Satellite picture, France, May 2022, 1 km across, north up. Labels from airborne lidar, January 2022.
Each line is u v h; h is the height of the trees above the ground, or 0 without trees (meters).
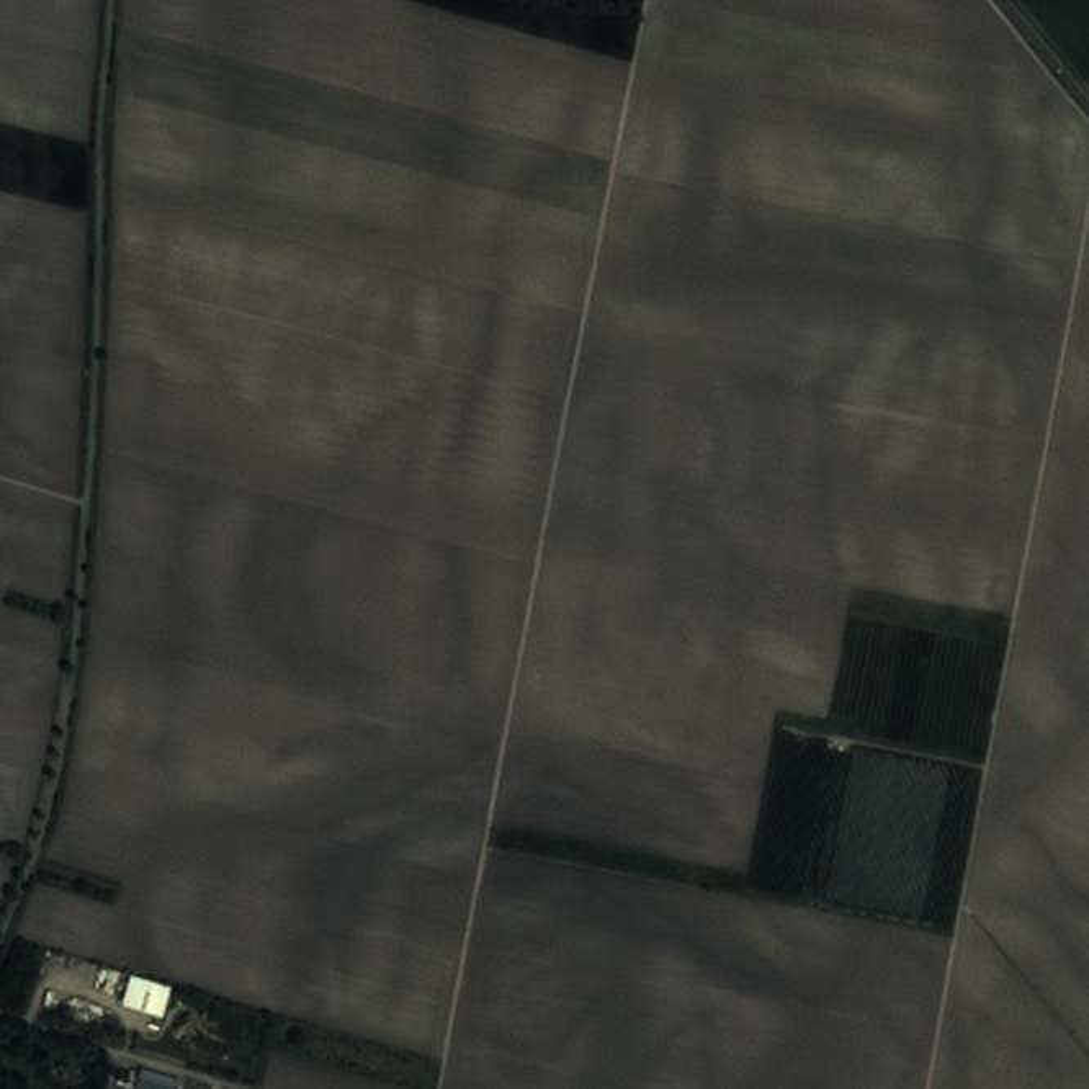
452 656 0
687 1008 0
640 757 0
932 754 0
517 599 0
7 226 0
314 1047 0
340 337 0
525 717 0
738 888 0
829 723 0
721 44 0
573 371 0
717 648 0
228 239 0
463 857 0
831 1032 0
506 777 0
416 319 0
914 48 0
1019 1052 0
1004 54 0
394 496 0
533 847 0
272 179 0
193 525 0
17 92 0
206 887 0
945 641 0
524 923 0
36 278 0
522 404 0
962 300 0
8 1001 7
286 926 0
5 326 0
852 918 0
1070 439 0
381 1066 0
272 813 0
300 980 0
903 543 0
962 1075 0
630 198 0
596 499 0
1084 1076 0
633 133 0
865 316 0
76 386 0
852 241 0
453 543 0
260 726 0
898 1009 0
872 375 0
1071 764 0
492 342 0
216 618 0
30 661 0
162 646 0
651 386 0
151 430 0
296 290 0
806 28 0
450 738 0
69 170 0
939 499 0
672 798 0
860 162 0
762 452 0
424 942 0
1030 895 0
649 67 0
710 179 0
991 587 0
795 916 0
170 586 0
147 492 0
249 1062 0
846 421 0
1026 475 0
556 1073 0
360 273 0
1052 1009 0
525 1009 0
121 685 0
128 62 0
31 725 0
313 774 0
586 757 0
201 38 0
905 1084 0
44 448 0
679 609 0
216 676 0
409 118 0
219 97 0
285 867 0
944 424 0
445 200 0
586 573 0
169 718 0
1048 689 0
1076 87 0
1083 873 0
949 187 0
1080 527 0
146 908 0
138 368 0
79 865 0
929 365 0
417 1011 0
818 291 0
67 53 0
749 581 0
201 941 0
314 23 0
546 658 0
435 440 0
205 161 0
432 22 0
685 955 0
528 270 0
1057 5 0
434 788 0
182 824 0
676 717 0
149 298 0
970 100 0
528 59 0
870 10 0
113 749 0
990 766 0
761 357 0
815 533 0
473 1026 0
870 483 0
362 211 0
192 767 0
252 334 0
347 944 0
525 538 0
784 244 0
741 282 0
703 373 0
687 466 0
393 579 0
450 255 0
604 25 0
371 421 0
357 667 0
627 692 0
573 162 0
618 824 0
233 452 0
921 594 0
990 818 0
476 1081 0
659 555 0
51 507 0
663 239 0
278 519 0
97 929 0
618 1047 0
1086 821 0
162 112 0
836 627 0
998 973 0
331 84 0
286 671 0
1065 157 0
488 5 0
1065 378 0
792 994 0
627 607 0
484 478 0
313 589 0
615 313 0
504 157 0
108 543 0
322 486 0
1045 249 0
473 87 0
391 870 0
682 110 0
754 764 0
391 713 0
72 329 0
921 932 0
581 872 0
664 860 0
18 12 0
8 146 0
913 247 0
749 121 0
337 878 0
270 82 0
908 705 0
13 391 0
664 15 0
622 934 0
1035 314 0
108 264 0
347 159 0
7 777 0
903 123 0
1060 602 0
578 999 0
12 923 0
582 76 0
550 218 0
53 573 0
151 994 0
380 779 0
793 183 0
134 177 0
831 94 0
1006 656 0
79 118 0
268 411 0
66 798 0
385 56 0
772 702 0
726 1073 0
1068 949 0
